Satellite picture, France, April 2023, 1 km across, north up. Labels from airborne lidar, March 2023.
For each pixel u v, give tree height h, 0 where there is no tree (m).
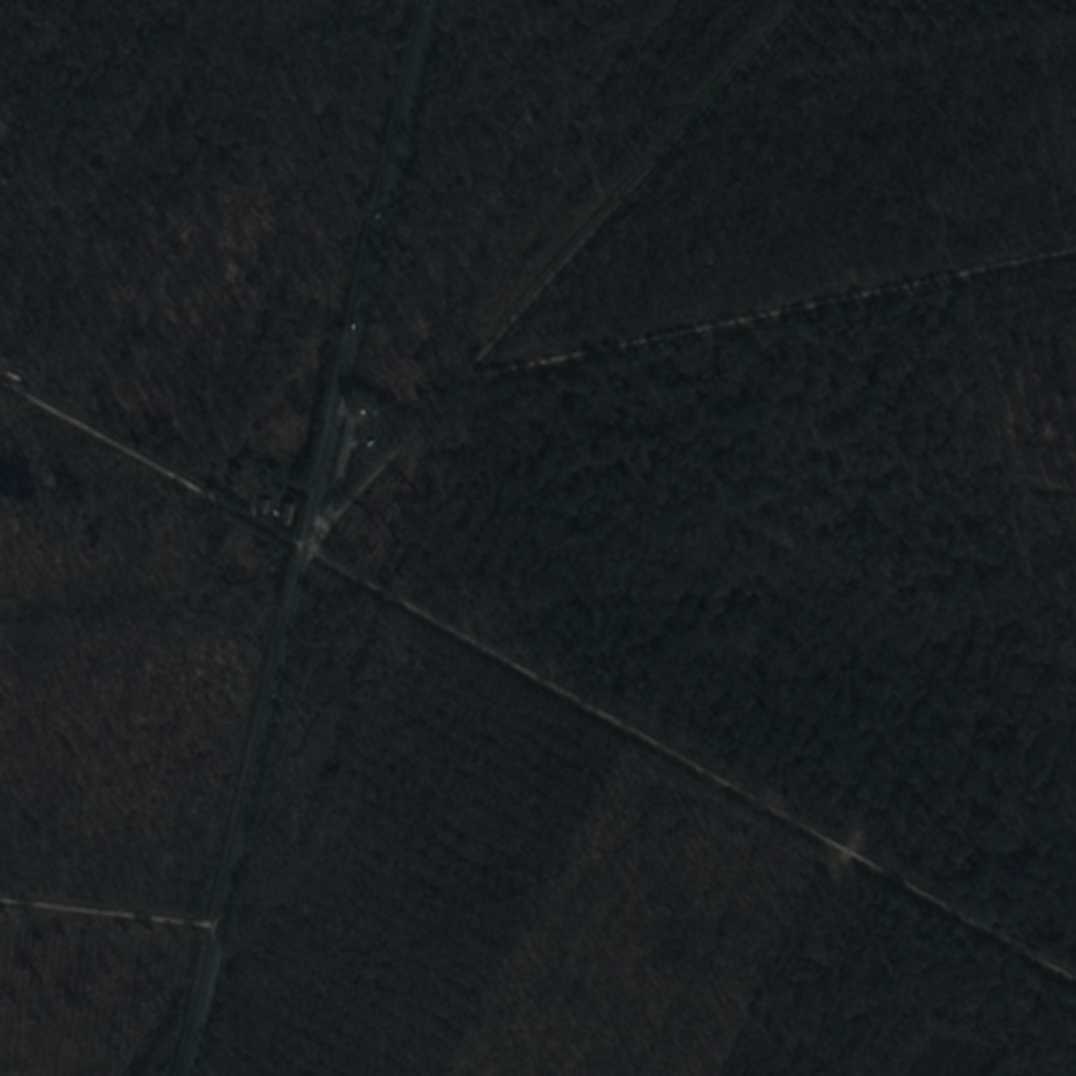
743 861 17
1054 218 12
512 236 18
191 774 13
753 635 28
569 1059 14
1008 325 16
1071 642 18
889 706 26
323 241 26
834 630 25
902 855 27
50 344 26
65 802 15
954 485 27
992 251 16
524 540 24
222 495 18
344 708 21
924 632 23
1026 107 15
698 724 27
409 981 18
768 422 24
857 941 17
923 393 24
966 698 27
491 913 14
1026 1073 21
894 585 24
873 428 21
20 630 19
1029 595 20
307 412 11
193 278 21
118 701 16
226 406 25
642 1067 16
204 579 20
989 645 26
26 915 23
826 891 15
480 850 15
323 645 20
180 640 22
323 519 0
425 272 27
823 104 14
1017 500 17
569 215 15
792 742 27
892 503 28
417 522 26
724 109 12
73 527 20
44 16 25
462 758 15
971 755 24
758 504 25
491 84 23
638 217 15
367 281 0
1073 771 25
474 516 26
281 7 24
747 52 0
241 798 0
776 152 17
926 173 15
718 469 26
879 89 13
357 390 17
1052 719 23
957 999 21
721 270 15
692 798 16
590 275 12
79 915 0
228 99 24
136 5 20
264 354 24
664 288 16
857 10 15
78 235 27
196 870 22
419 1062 15
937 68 14
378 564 25
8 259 28
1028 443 18
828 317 20
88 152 27
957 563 16
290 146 30
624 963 16
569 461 27
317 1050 20
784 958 18
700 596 23
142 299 25
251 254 28
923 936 19
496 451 26
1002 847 27
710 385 17
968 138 14
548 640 26
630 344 0
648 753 16
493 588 25
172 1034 19
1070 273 17
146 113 21
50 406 0
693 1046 16
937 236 15
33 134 27
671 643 23
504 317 0
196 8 21
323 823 19
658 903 15
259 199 29
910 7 19
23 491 27
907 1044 20
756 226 15
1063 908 27
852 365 26
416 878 18
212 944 0
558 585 24
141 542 21
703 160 17
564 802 18
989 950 20
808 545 25
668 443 23
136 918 0
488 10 25
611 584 26
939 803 29
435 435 29
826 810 22
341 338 19
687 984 17
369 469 14
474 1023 11
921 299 24
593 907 15
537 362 0
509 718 18
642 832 15
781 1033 14
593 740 15
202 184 25
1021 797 29
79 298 27
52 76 18
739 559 26
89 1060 0
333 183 26
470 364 22
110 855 20
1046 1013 26
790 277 15
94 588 20
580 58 22
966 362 19
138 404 27
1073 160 17
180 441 18
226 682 21
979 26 14
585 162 15
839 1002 25
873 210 14
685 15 14
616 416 8
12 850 15
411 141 22
